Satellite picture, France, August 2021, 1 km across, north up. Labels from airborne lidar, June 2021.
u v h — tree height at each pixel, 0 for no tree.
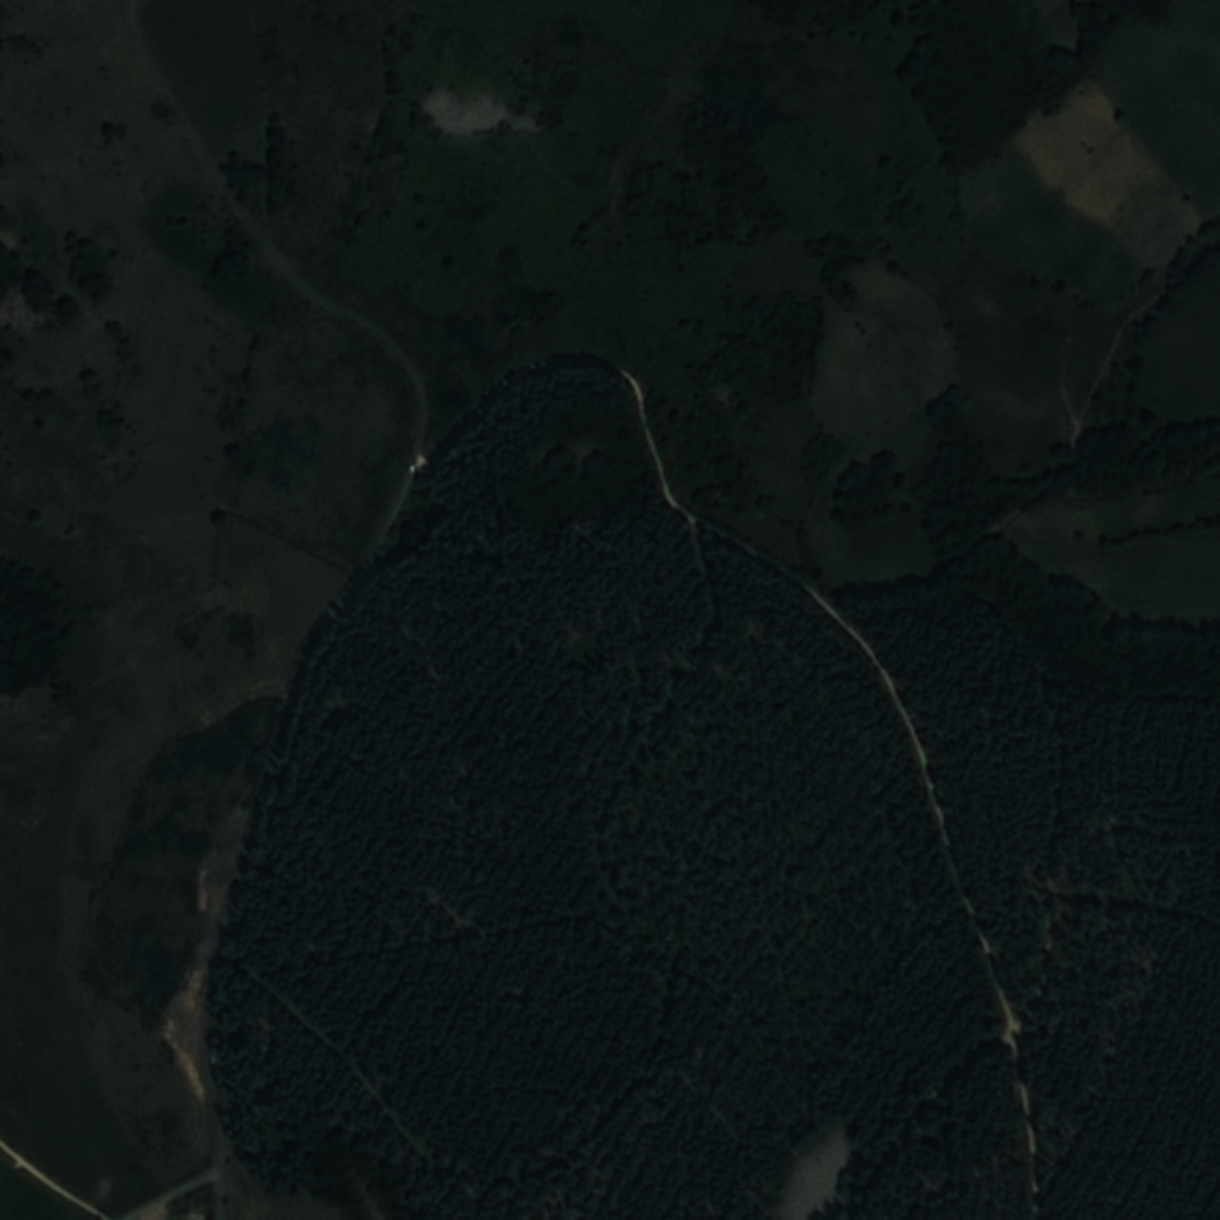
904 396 0
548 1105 20
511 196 0
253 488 0
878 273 0
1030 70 14
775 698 10
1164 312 11
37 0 0
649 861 11
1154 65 0
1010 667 17
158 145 0
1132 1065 21
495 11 0
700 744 9
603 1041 22
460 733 16
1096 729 15
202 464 0
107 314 0
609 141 0
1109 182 0
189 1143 0
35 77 0
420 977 24
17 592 11
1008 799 24
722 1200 16
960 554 17
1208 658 17
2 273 14
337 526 0
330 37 0
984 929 22
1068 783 19
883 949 9
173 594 0
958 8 15
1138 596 0
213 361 0
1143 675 17
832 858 10
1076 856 18
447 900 22
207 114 0
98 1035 0
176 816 0
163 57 0
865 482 16
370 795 24
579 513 16
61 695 7
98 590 0
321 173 0
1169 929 16
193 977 0
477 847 18
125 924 0
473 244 0
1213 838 19
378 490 0
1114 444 16
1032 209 0
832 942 12
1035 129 0
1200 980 16
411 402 0
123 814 0
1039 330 0
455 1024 21
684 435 10
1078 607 18
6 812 0
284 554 0
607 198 0
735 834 9
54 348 0
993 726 12
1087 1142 21
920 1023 26
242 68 0
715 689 18
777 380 6
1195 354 0
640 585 20
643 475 15
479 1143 18
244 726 0
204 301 0
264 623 0
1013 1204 10
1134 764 16
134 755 0
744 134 7
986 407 0
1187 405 0
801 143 0
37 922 0
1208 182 0
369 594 24
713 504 7
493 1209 21
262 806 14
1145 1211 16
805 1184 0
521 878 18
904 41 0
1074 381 0
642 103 0
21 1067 0
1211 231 9
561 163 0
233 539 0
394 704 21
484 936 12
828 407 0
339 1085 25
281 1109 23
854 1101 24
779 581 24
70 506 0
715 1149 18
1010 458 0
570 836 17
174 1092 0
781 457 0
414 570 26
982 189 0
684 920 12
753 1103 11
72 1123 0
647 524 23
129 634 0
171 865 0
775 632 16
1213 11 0
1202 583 0
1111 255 0
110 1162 0
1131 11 14
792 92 0
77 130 0
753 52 0
